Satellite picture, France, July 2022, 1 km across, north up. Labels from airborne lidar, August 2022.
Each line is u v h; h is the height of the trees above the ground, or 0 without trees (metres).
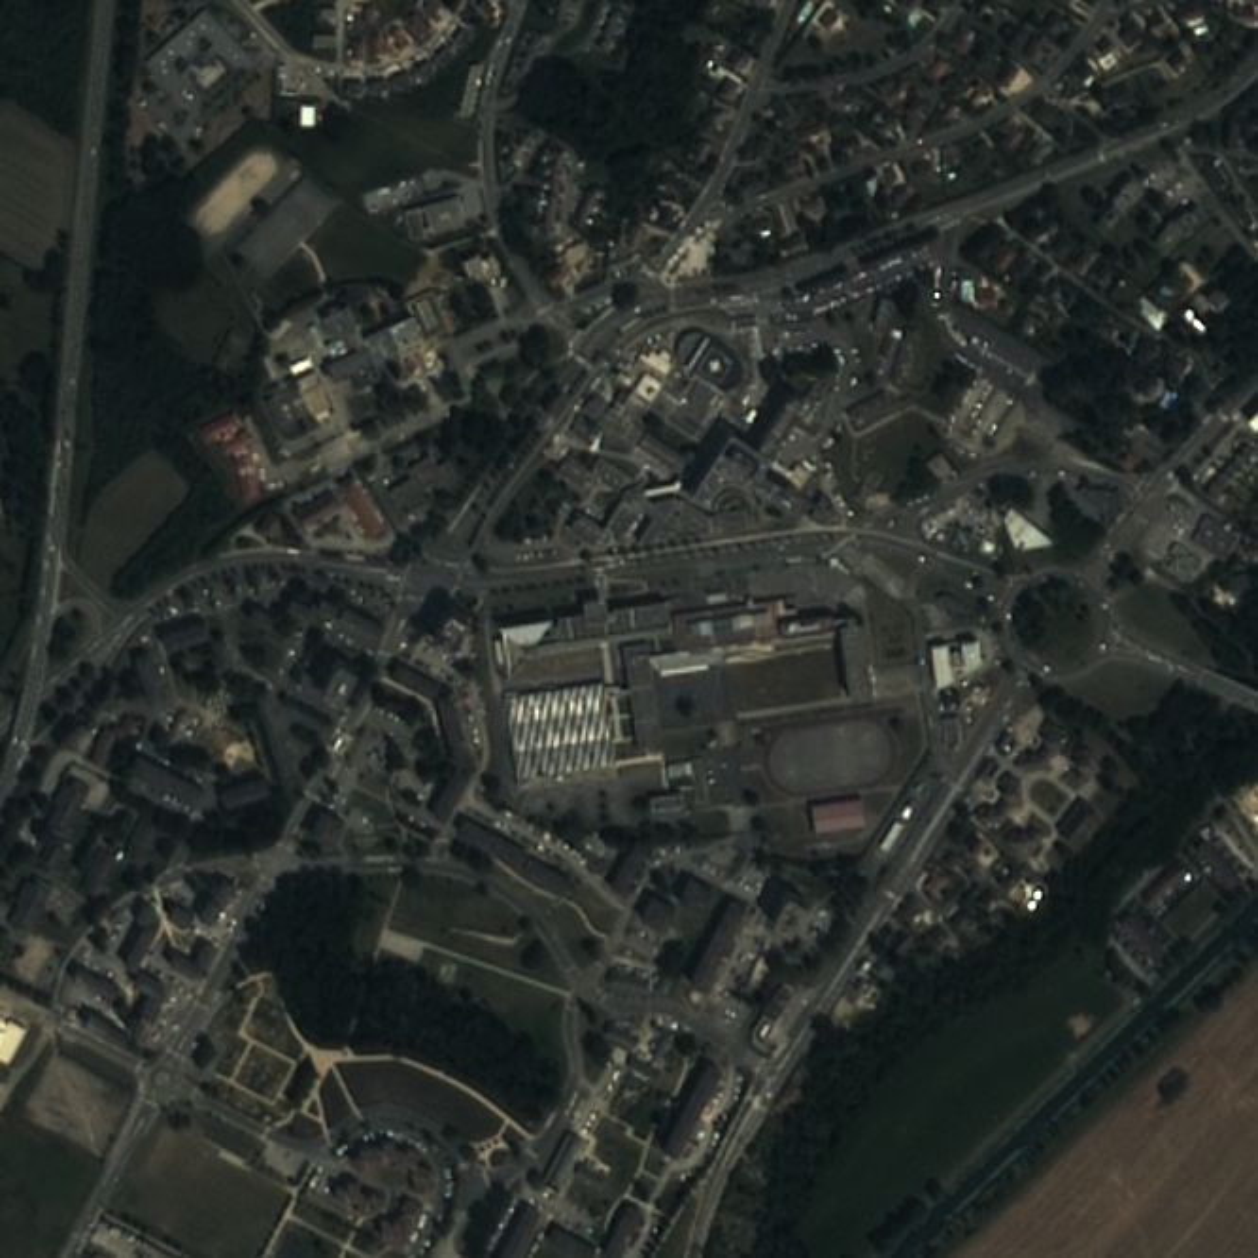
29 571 8
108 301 14
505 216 14
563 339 0
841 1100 26
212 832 17
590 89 12
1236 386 12
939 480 5
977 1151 0
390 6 0
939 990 12
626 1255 0
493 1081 22
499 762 0
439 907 0
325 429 0
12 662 0
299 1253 0
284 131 10
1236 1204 0
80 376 0
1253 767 16
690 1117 0
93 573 0
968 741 0
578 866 0
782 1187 16
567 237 0
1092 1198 0
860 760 0
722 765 0
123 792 12
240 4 0
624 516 0
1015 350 0
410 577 0
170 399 5
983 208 0
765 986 9
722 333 0
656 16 10
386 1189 0
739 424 0
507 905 0
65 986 0
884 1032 16
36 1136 0
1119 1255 0
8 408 15
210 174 0
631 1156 0
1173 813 12
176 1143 0
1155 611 0
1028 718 0
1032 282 6
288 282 0
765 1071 0
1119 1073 9
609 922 0
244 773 0
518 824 0
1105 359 21
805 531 0
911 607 0
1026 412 0
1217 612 20
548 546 0
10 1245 0
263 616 0
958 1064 0
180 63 6
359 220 0
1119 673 0
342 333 0
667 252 0
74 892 0
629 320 0
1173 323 9
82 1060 0
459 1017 21
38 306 0
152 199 18
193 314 0
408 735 0
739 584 0
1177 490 0
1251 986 0
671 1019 0
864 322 0
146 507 0
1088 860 13
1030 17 7
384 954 0
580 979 0
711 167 10
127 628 0
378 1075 0
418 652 0
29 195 0
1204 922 0
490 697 0
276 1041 0
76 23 7
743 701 0
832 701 0
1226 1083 0
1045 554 0
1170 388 10
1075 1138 0
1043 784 0
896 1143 0
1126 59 0
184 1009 0
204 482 6
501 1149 0
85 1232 0
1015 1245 0
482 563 11
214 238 0
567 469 0
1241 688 0
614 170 6
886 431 0
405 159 0
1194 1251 0
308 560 0
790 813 0
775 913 0
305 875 16
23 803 17
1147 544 0
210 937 0
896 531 0
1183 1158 0
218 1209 0
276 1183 0
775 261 10
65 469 0
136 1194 0
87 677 10
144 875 11
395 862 0
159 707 0
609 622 0
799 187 0
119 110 17
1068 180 0
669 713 0
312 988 27
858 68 7
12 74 7
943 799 0
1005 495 18
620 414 0
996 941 8
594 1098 0
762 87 0
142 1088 0
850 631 0
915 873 0
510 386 9
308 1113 0
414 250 0
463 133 0
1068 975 0
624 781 0
